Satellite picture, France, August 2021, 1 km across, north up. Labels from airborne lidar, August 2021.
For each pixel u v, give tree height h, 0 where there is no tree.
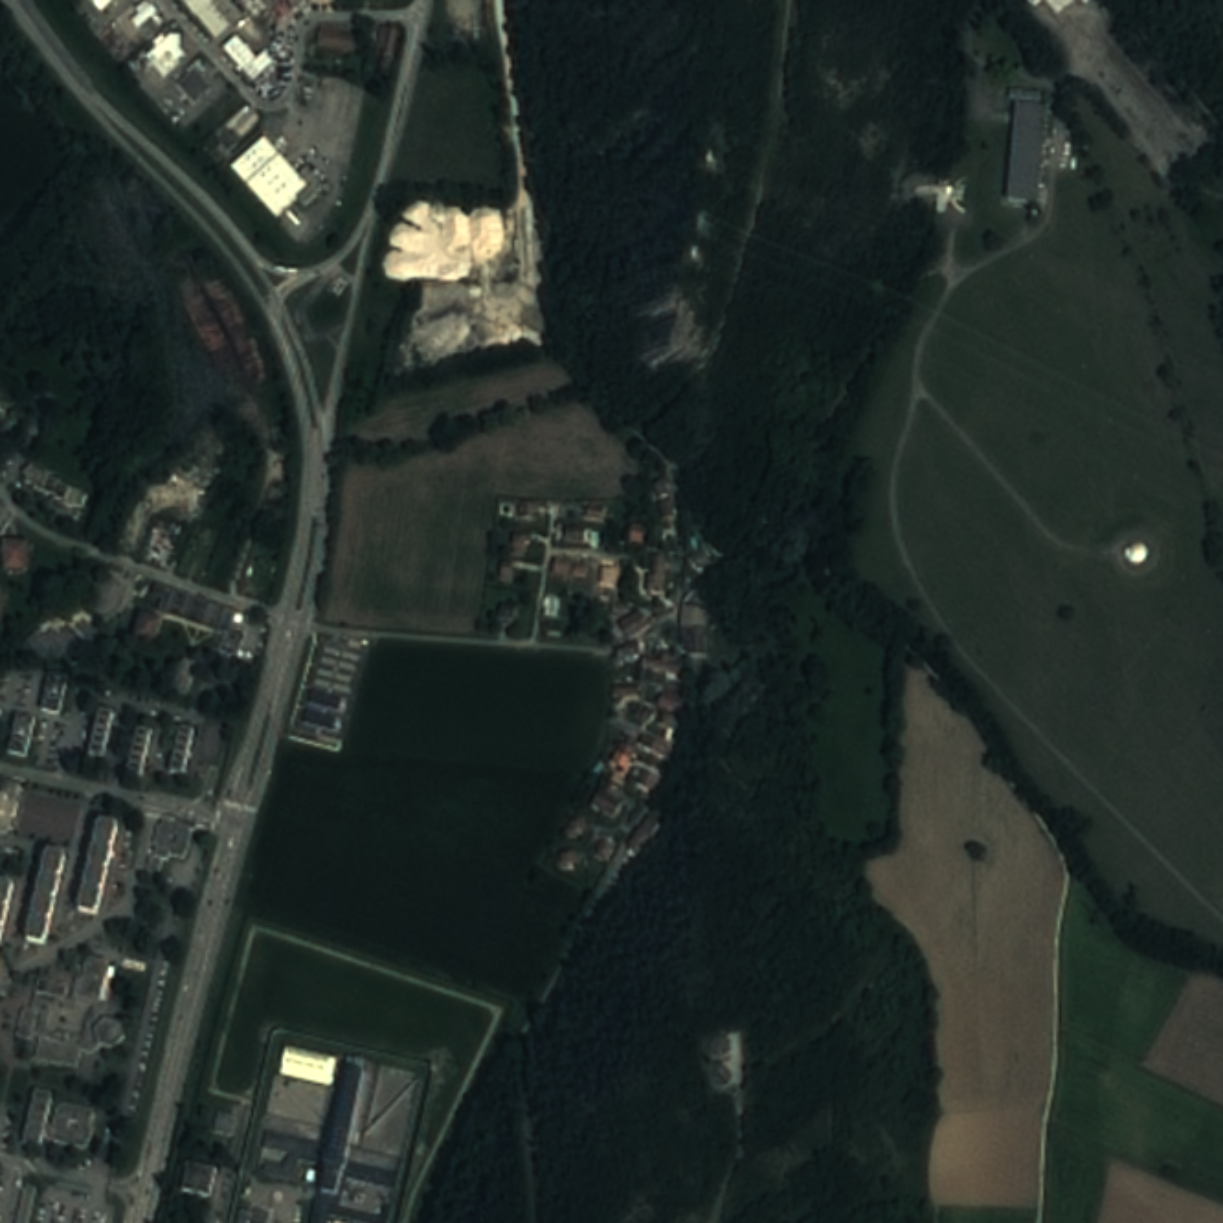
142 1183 0
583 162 8
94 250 18
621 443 0
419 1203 0
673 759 9
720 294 6
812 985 14
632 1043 6
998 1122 0
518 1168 14
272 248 0
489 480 0
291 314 0
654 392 11
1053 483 0
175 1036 0
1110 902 12
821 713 10
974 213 0
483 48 9
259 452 10
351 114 0
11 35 18
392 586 0
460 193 15
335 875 0
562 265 16
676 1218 12
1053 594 0
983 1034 0
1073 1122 0
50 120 10
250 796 0
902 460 0
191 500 0
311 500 0
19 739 0
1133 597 0
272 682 0
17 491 8
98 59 0
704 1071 8
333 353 0
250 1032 0
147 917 12
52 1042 0
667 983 7
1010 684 0
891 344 15
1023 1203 0
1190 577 0
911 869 0
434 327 0
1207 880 0
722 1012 6
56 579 30
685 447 11
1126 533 0
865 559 0
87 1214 0
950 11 20
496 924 0
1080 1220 0
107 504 18
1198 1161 0
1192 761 0
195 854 0
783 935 15
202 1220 10
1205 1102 0
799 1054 9
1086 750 0
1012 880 0
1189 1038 0
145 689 25
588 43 11
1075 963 0
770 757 12
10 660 18
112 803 22
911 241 17
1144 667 0
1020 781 14
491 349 9
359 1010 0
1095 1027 0
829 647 0
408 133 0
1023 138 0
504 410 18
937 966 0
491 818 0
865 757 0
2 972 0
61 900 0
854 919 14
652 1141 8
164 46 0
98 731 0
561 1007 11
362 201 0
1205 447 0
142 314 20
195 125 8
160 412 21
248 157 0
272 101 0
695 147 9
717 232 7
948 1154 0
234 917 0
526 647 0
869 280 16
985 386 0
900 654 18
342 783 0
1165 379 14
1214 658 0
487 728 0
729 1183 6
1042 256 0
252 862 0
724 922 12
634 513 9
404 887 0
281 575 0
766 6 6
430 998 0
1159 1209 0
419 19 0
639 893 9
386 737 0
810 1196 9
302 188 0
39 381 18
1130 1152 0
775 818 12
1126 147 0
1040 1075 0
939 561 0
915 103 8
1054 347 0
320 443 0
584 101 11
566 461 0
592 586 0
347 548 0
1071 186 0
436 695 0
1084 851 14
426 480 0
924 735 0
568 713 0
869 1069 9
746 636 11
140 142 0
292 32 0
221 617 0
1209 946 10
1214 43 9
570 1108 9
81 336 19
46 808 0
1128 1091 0
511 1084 10
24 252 17
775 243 11
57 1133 0
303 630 0
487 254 0
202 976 0
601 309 13
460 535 0
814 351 17
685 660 11
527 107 13
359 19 11
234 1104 0
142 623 0
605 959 9
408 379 12
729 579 10
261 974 0
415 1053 0
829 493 25
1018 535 0
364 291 0
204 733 0
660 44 9
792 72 8
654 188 7
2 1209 0
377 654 0
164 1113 0
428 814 0
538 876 12
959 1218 0
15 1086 0
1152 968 0
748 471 15
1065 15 0
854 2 10
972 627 0
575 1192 10
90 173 16
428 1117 0
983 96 0
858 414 11
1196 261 0
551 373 0
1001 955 0
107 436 19
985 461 0
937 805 0
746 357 15
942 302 0
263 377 0
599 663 0
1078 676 0
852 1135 8
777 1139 12
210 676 14
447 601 0
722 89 12
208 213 0
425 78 0
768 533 15
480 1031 0
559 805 0
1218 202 0
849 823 0
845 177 8
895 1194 6
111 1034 0
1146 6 17
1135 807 0
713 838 10
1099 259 0
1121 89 0
